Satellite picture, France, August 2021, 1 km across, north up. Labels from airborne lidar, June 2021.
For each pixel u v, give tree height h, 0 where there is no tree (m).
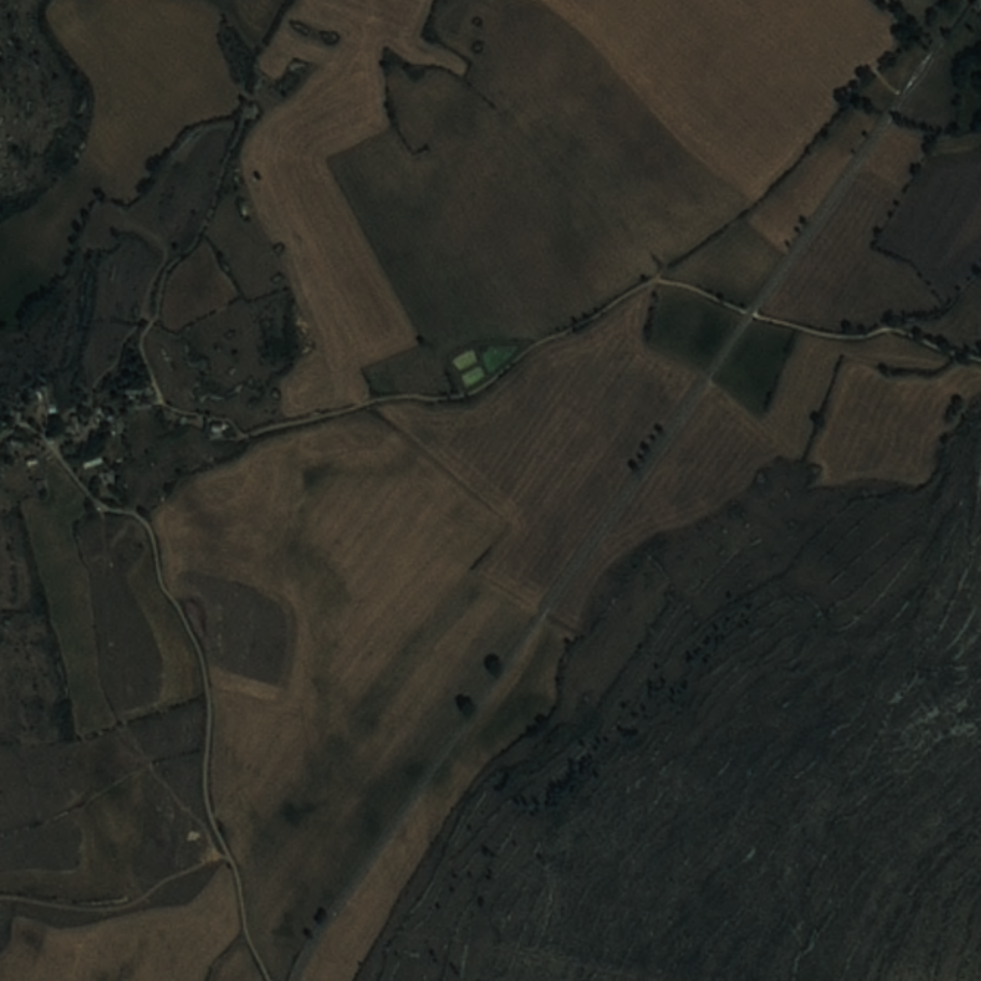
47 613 8
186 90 0
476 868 0
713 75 0
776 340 0
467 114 0
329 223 0
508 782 7
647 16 0
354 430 0
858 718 0
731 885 0
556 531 0
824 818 0
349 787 0
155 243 0
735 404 0
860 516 0
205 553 0
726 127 0
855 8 0
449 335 0
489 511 0
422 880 0
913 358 0
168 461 0
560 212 0
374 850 0
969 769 0
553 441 0
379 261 0
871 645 0
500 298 0
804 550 0
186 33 0
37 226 0
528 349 0
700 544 0
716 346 0
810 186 0
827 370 0
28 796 0
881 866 0
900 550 0
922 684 0
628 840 0
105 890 0
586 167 0
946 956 0
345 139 0
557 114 0
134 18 0
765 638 0
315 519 0
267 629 0
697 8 0
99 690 0
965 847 0
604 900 0
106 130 0
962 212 0
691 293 0
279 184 0
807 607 0
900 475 0
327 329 0
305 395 0
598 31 0
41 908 0
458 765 0
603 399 0
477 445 0
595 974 0
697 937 0
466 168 0
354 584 0
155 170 14
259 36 0
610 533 0
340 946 0
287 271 0
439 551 0
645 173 0
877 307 0
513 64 0
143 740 0
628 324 0
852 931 0
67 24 0
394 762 0
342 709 0
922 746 0
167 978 0
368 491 0
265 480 0
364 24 0
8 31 0
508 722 0
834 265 0
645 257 0
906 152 0
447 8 0
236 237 0
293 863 0
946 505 0
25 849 0
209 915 0
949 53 0
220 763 0
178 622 0
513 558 0
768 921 0
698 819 0
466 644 0
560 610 0
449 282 0
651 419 0
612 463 0
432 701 0
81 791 0
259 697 0
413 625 0
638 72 0
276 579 0
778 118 0
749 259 0
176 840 0
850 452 0
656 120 0
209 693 0
